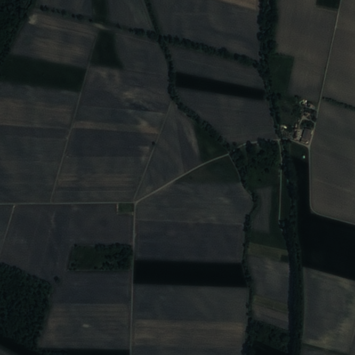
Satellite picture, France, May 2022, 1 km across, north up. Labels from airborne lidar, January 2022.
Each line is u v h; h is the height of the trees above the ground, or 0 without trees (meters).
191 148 0
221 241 0
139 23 0
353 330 0
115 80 0
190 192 0
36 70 0
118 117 0
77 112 0
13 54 0
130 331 0
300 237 0
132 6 0
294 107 0
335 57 0
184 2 0
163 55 0
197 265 0
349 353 0
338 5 0
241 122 0
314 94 0
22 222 0
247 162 0
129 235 0
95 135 0
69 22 0
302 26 0
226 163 0
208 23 0
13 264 0
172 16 0
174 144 0
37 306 22
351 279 0
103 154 0
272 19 25
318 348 0
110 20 0
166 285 0
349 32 0
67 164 0
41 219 0
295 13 0
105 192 0
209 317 0
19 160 0
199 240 0
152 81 0
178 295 0
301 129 0
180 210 0
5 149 0
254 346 0
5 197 0
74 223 0
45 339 0
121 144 0
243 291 0
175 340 0
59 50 0
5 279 23
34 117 0
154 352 0
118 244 14
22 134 0
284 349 10
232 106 0
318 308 0
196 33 0
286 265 0
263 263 0
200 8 0
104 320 0
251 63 12
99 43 0
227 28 0
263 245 0
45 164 0
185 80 0
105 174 0
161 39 14
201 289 0
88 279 0
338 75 0
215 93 0
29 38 0
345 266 0
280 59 0
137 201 0
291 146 0
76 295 0
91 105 0
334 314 0
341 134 0
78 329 0
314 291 0
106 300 0
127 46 0
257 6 0
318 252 0
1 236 0
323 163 0
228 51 16
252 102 0
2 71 0
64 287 0
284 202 0
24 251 0
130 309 0
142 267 0
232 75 0
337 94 0
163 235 0
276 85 0
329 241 0
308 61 0
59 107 0
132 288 0
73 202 0
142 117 0
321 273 0
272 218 0
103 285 0
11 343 0
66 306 0
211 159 0
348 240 0
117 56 0
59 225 0
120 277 0
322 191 0
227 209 0
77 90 0
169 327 0
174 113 0
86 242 0
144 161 0
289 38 0
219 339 0
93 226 0
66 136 0
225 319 0
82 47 0
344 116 0
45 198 0
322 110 0
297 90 0
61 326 0
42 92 0
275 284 0
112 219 0
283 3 0
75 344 0
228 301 0
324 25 0
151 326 0
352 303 0
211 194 0
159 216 0
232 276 0
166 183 0
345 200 0
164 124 0
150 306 0
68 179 0
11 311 25
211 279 0
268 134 0
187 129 0
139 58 0
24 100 0
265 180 0
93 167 0
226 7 0
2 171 0
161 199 0
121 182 0
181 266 0
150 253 0
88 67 0
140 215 0
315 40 0
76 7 0
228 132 0
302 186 0
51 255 0
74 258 0
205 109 0
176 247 0
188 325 0
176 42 17
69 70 0
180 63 0
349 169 0
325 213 0
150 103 0
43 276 0
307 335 0
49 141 0
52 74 0
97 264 0
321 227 0
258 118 0
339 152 0
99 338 0
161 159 0
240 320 0
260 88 0
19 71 0
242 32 0
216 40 0
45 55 0
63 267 0
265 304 0
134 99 0
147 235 0
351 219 0
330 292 0
